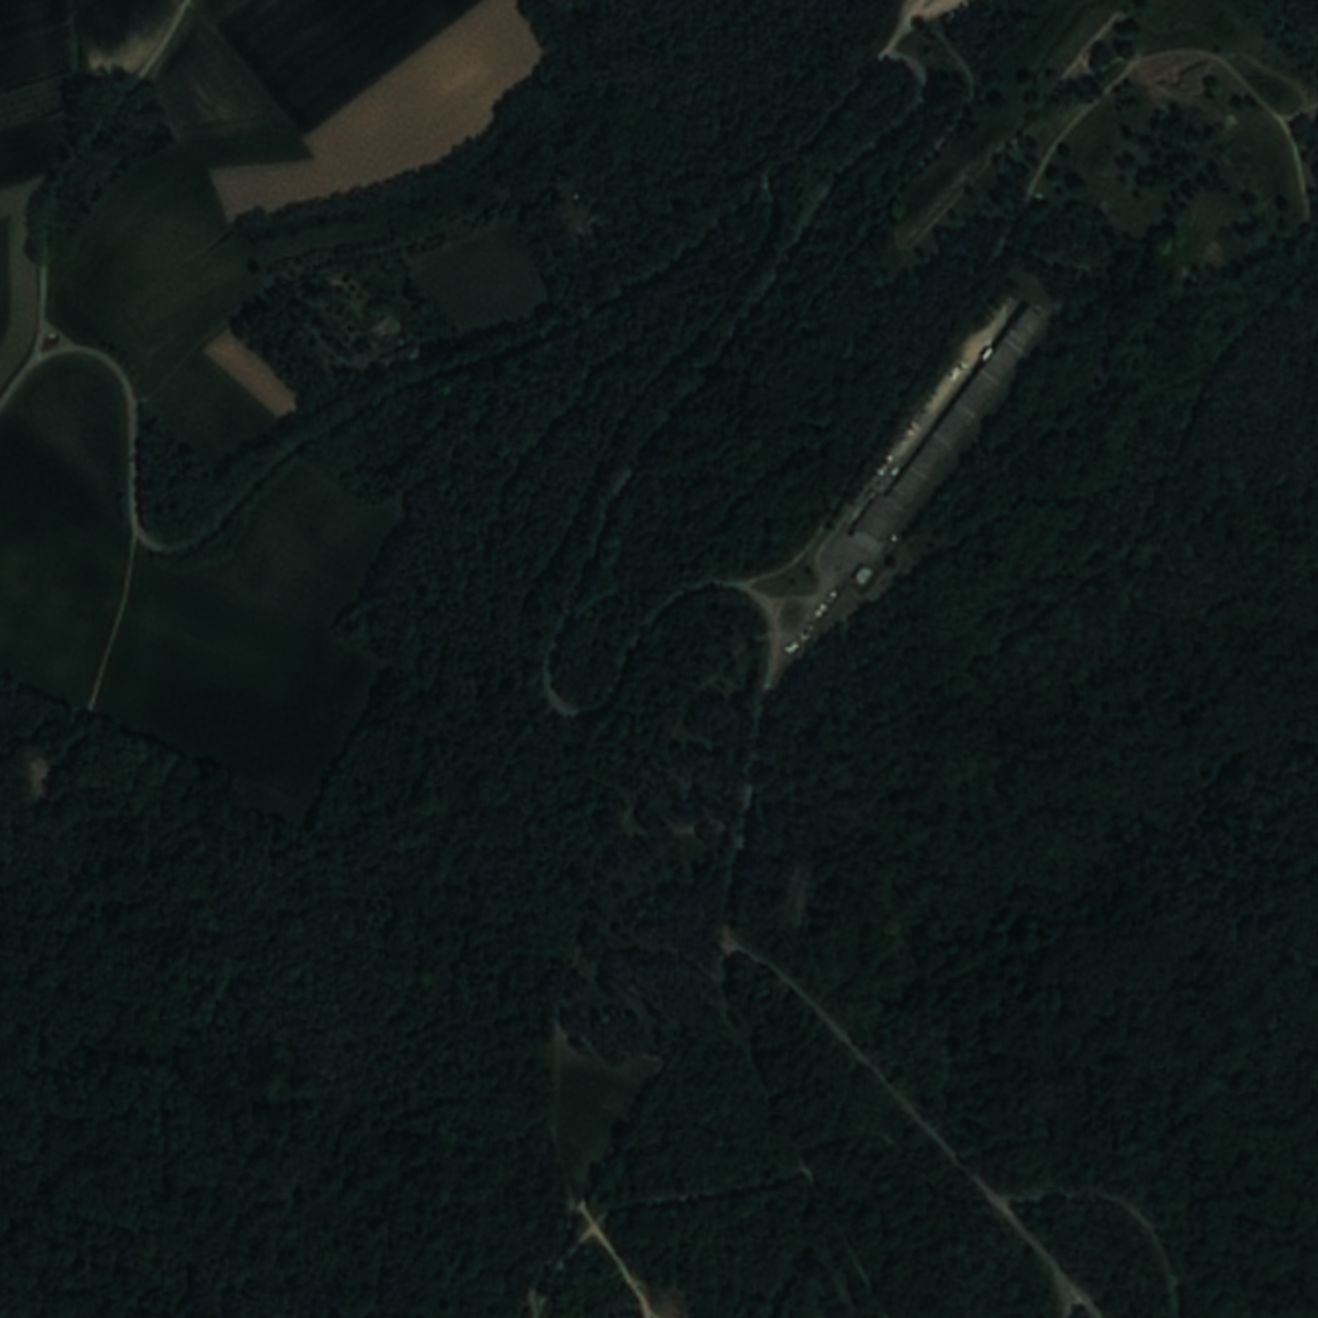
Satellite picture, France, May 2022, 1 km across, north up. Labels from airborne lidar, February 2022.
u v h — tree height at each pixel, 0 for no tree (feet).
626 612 42
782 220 58
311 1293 49
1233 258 0
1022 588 43
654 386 26
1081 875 36
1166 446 59
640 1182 21
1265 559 40
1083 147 0
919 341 46
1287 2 42
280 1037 45
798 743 66
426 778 56
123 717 0
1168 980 23
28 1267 61
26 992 75
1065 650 60
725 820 73
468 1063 35
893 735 62
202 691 0
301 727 0
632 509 32
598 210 62
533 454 71
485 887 54
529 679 43
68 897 36
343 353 60
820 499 37
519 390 70
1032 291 0
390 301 21
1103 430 55
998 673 52
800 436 60
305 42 0
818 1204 49
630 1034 67
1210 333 45
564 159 59
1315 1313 52
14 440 0
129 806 67
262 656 0
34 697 46
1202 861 71
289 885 55
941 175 0
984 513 52
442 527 49
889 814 59
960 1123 33
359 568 0
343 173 0
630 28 68
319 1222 32
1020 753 86
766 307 52
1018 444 42
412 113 0
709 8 63
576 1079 0
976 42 29
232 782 55
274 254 0
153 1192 52
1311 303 54
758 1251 39
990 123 0
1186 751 89
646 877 43
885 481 0
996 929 52
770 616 0
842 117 52
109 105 57
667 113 64
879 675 62
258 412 0
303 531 0
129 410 0
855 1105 72
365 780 33
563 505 65
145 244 0
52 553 0
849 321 49
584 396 54
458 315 0
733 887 69
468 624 51
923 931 71
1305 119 30
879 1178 52
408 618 52
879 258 38
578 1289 34
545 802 19
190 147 0
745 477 39
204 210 0
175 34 0
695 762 48
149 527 33
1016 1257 19
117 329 0
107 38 0
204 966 68
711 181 57
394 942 63
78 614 0
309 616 0
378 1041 49
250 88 0
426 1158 40
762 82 71
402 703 59
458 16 0
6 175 0
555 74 49
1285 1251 79
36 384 0
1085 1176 55
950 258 52
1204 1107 81
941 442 0
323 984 51
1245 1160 83
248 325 46
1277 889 76
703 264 48
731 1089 45
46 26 0
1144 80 0
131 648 0
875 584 0
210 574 0
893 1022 72
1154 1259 59
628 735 51
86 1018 85
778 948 56
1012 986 55
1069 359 33
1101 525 64
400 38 0
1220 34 0
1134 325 33
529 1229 34
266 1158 78
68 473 0
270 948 55
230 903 67
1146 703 26
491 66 0
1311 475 32
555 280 60
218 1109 77
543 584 49
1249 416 50
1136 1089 66
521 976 35
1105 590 70
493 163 39
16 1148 78
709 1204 28
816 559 0
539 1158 35
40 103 0
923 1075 30
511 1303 34
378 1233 43
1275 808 68
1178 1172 81
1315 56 26
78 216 35
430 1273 23
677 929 76
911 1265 42
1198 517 67
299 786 0
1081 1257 44
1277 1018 63
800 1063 39
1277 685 44
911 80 62
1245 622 38
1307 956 71
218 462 0
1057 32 0
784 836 53
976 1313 43
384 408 54
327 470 40
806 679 52
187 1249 61
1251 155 0
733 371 38
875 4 66
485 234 0
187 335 0
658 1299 0
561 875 37
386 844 56
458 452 70
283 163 0
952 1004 63
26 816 55
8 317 0
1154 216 0
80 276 0
